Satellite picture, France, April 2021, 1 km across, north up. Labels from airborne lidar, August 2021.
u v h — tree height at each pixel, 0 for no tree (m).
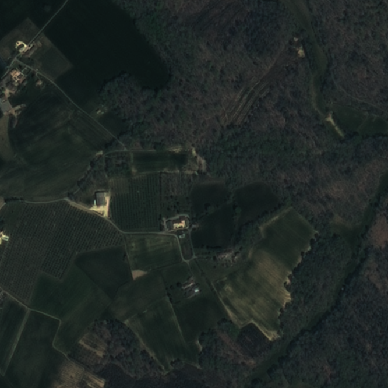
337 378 19
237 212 17
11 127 0
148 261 0
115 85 19
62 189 0
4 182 0
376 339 23
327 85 20
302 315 22
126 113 20
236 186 13
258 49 27
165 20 8
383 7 19
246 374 24
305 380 14
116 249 0
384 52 25
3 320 0
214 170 18
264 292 0
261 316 0
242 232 15
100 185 0
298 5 0
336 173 19
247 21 25
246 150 17
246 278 0
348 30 12
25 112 0
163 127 6
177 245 0
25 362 0
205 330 0
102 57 0
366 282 22
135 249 0
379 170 16
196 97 14
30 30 0
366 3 15
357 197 17
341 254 28
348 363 27
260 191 0
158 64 0
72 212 6
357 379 23
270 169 15
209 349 16
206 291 0
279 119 14
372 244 26
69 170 0
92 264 0
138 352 16
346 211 19
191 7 9
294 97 23
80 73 0
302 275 23
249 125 19
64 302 0
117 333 20
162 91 17
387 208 0
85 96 0
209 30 6
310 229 0
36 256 5
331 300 23
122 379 7
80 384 7
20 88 6
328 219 18
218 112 17
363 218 16
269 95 14
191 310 0
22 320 0
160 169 0
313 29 9
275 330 0
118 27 0
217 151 35
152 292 0
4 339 0
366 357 25
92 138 0
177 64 22
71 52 0
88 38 0
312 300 28
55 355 0
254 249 0
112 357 10
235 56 15
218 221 0
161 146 20
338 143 20
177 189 19
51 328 0
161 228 6
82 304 0
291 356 26
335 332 21
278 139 31
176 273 0
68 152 0
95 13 0
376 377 23
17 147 0
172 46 19
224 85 23
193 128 16
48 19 0
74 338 0
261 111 13
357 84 15
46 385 0
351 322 23
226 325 23
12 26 0
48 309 0
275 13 21
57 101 0
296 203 18
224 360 15
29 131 0
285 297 0
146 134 22
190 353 0
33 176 0
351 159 24
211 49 17
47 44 0
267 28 28
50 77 0
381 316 25
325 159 18
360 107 8
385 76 13
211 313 0
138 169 0
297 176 16
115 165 15
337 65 16
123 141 16
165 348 0
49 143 0
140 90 18
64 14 0
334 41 12
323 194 19
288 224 0
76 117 0
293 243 0
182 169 0
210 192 0
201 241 0
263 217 12
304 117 17
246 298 0
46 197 0
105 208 0
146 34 16
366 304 20
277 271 0
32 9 0
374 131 0
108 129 0
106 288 0
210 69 17
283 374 17
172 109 12
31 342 0
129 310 0
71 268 0
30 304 0
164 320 0
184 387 7
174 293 0
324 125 17
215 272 0
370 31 17
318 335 24
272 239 0
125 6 19
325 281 24
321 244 22
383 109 13
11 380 0
